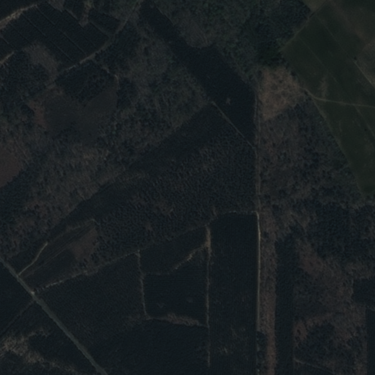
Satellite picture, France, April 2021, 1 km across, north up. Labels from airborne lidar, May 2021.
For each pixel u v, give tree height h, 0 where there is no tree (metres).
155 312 9
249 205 17
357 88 0
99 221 10
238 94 10
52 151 19
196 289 10
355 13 0
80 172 23
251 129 9
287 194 13
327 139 12
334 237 20
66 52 11
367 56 0
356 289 13
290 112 15
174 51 10
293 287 15
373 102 0
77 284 10
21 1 11
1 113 11
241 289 9
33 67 16
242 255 10
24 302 9
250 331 9
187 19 11
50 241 9
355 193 15
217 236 10
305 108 12
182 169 15
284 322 16
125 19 12
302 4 8
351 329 9
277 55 11
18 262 9
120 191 9
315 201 9
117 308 10
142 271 12
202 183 21
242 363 9
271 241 0
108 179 11
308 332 12
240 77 7
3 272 11
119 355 8
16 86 19
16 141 12
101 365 7
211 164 12
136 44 18
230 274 8
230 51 12
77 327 9
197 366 9
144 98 16
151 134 9
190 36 11
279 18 18
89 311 10
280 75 0
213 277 8
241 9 22
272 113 0
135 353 9
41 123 0
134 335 8
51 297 9
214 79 7
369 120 0
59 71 14
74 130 5
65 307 10
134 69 17
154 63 15
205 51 8
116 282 9
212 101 26
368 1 0
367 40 0
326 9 0
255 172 22
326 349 6
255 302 9
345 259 18
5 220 22
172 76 18
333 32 0
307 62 0
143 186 10
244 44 24
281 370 16
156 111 10
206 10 12
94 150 11
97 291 9
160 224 15
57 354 8
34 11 10
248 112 10
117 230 20
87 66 11
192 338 8
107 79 16
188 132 11
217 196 21
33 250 8
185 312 10
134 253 10
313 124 12
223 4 22
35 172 15
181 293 10
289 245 25
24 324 9
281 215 10
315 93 0
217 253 9
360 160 0
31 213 17
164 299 9
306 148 7
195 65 9
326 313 9
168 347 11
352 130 0
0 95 13
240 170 18
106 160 6
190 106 13
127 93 12
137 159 11
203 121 10
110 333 9
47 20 11
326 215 21
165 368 10
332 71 0
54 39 11
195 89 10
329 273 11
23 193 19
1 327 9
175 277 10
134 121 21
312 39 0
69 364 9
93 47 12
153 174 11
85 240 0
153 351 10
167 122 20
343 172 8
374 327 10
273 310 0
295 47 0
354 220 15
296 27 16
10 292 10
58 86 13
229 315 7
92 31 11
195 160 22
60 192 17
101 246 19
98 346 10
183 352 9
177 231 16
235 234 10
